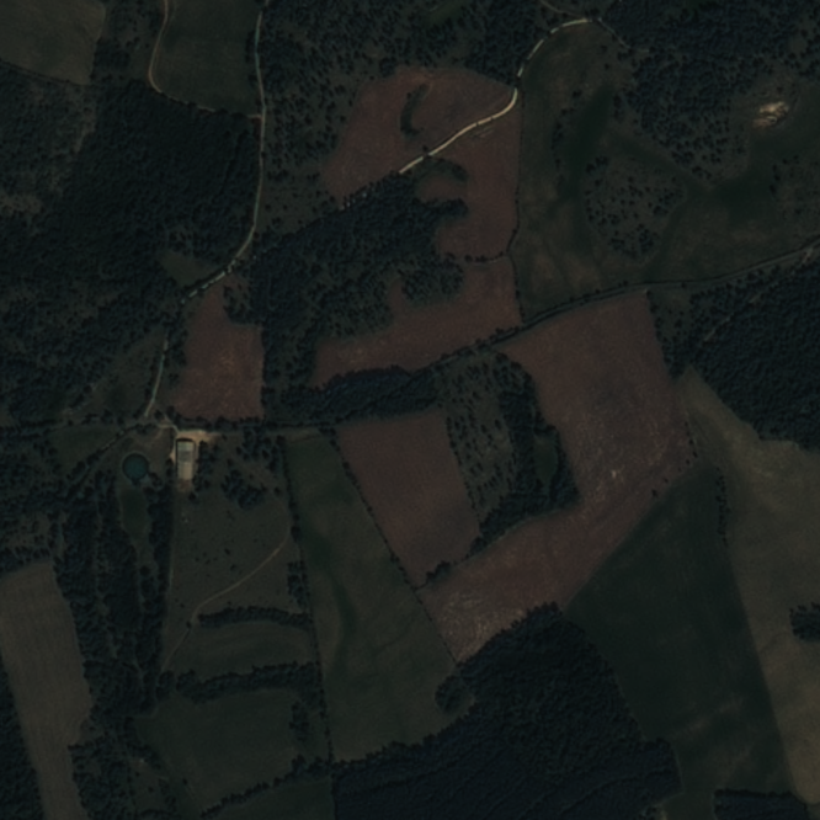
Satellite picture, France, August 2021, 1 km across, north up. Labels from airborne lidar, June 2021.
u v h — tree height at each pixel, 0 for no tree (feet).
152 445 0
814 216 0
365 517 0
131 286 37
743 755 0
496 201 0
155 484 35
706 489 0
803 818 46
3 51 0
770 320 33
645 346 0
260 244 23
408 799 49
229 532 0
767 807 47
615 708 42
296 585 42
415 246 46
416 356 0
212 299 0
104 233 31
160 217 26
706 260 0
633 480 0
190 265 0
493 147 0
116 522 25
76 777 31
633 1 45
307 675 39
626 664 0
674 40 28
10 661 0
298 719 35
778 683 0
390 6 54
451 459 0
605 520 0
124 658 43
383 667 0
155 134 39
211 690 20
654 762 50
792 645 0
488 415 0
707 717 0
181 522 0
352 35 38
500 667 33
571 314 0
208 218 31
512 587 0
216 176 40
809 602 0
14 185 35
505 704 27
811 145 0
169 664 0
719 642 0
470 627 0
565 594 0
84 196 29
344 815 44
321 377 0
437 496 0
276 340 48
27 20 0
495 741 49
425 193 0
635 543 0
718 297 37
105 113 27
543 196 0
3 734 28
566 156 0
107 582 30
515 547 0
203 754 0
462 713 0
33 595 0
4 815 27
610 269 0
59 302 27
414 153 0
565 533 0
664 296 0
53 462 18
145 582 33
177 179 43
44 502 34
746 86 24
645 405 0
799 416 43
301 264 44
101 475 36
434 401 33
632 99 34
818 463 0
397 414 31
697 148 27
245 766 0
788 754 0
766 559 0
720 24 25
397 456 0
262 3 39
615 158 0
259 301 43
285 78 45
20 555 31
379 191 34
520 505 29
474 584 0
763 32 34
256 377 0
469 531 0
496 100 0
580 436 0
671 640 0
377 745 0
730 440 0
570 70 0
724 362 36
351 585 0
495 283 0
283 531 0
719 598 0
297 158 38
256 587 0
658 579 0
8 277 24
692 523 0
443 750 42
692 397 0
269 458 35
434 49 39
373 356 0
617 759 43
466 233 0
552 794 34
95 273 23
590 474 0
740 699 0
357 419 34
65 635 0
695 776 0
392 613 0
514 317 0
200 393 0
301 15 42
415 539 0
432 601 0
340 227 47
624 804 42
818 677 0
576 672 29
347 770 26
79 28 0
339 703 0
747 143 0
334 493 0
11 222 22
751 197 0
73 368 28
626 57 32
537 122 0
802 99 0
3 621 0
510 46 20
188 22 0
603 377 0
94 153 36
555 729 38
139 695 37
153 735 0
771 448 0
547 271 0
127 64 27
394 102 0
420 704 0
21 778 39
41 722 0
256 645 0
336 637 0
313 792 0
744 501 0
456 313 0
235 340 0
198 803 0
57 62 0
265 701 0
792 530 0
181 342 26
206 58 0
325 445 0
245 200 33
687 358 24
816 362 18
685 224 0
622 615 0
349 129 0
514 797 45
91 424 30
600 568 0
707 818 0
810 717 0
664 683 0
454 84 0
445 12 0
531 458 27
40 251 32
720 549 0
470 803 45
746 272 0
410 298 63
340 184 0
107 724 22
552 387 0
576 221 0
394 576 0
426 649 0
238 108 0
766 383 22
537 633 25
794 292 24
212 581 0
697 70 43
